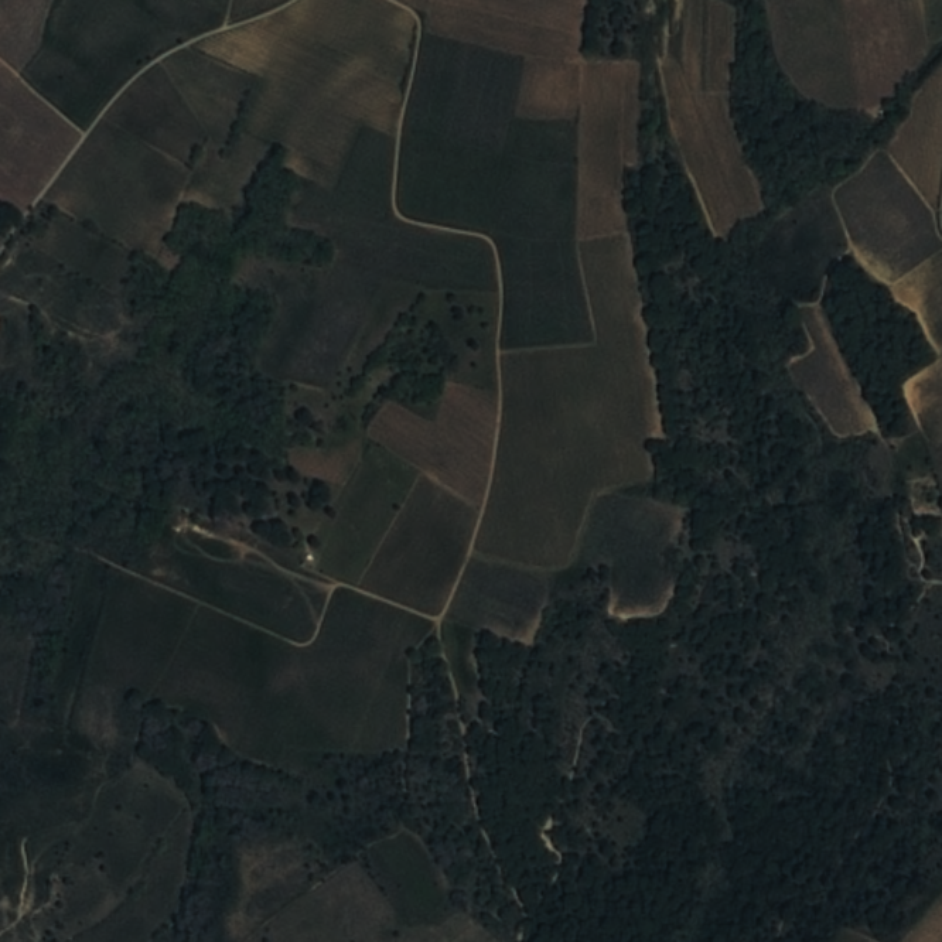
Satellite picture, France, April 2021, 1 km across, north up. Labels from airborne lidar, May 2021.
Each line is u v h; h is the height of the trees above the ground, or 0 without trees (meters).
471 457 0
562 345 0
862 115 11
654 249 13
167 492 15
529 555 0
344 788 14
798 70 0
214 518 13
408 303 0
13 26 0
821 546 11
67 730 0
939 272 0
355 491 0
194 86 0
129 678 0
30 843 0
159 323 12
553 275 0
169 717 10
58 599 11
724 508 13
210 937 12
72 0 0
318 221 0
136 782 0
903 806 10
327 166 0
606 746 11
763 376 15
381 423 0
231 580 0
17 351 9
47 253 0
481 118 0
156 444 6
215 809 8
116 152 0
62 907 7
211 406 16
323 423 7
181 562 0
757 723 12
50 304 0
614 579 0
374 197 0
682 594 11
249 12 0
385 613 0
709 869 14
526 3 0
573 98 0
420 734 11
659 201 11
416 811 12
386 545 0
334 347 0
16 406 12
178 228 9
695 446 9
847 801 7
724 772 14
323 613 0
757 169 14
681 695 9
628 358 0
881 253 0
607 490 0
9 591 14
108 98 0
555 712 11
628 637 12
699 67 0
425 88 0
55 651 11
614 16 9
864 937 0
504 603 0
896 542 9
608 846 12
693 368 10
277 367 0
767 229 7
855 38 0
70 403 7
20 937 0
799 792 8
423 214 0
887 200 0
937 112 0
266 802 12
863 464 6
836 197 0
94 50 0
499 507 0
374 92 0
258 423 13
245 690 0
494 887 10
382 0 0
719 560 9
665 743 12
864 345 10
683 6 0
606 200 0
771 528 11
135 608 0
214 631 0
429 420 0
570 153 0
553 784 11
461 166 0
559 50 0
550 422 0
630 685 10
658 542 0
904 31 0
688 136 0
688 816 8
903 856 8
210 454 15
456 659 0
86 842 0
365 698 0
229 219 14
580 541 0
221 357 11
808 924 7
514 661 10
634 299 0
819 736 7
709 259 14
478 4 0
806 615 14
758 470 6
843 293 11
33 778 11
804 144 11
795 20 0
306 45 0
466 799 11
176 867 0
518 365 0
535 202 0
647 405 0
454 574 0
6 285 0
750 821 14
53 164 0
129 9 0
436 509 0
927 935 0
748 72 13
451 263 0
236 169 0
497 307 0
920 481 0
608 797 8
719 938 14
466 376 0
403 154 0
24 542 10
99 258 0
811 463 15
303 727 0
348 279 0
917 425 0
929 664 7
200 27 0
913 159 0
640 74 0
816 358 0
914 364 9
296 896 0
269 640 0
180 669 0
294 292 0
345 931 0
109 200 0
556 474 0
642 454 0
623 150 0
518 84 0
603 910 11
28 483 14
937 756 7
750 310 15
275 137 0
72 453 15
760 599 10
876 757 8
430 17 0
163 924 0
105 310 0
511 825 13
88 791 0
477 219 0
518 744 10
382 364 11
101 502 11
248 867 0
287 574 0
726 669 8
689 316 7
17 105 0
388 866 0
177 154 0
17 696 0
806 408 9
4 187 0
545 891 8
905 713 9
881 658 11
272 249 12
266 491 13
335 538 0
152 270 13
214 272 15
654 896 12
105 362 0
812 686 11
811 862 12
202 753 15
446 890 0
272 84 0
